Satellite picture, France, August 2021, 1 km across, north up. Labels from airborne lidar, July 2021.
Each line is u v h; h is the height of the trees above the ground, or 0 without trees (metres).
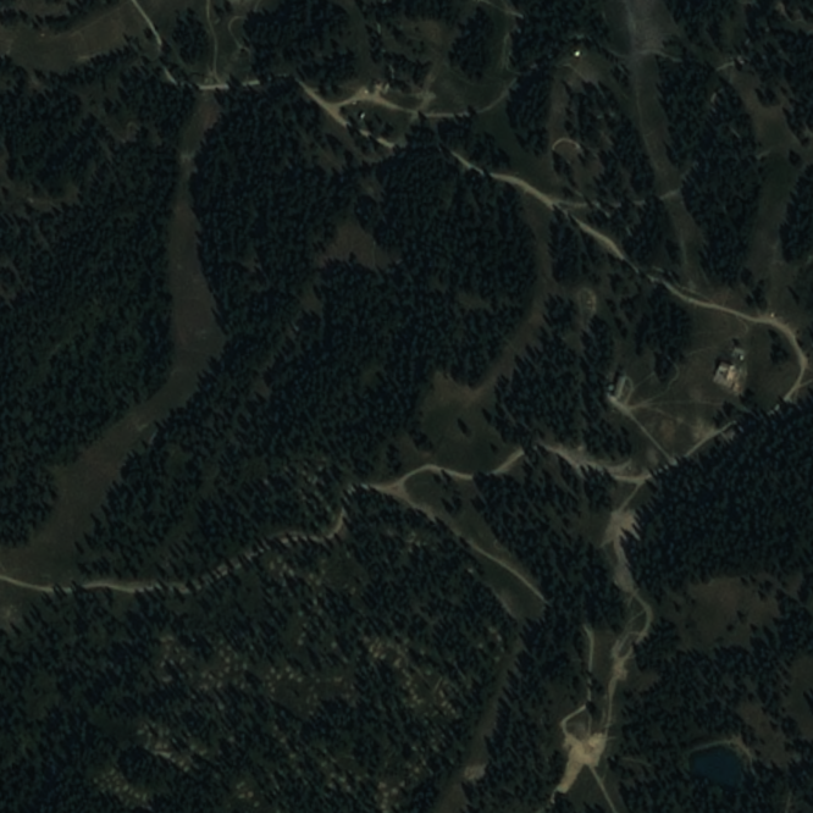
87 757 30
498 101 0
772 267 0
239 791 0
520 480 0
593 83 0
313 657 0
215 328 0
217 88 0
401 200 26
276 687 0
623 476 0
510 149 0
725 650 0
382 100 0
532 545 32
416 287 7
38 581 0
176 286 0
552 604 26
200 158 0
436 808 29
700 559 29
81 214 23
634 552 25
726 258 22
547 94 21
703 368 0
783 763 0
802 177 0
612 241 0
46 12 0
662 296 13
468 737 10
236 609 8
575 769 0
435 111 0
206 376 0
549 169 0
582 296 0
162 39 0
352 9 0
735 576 15
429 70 7
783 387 0
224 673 0
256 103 14
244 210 25
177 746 0
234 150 18
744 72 15
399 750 26
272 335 22
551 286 0
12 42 0
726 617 0
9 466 30
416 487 0
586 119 16
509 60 0
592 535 0
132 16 0
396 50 0
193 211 0
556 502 24
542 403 25
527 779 16
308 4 22
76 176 25
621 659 0
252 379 24
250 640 28
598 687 17
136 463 19
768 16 19
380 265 0
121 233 20
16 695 26
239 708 29
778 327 0
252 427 26
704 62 0
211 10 0
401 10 21
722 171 27
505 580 0
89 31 0
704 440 0
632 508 0
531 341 0
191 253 0
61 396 14
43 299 20
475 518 0
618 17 0
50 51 0
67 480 0
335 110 0
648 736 16
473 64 21
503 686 0
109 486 0
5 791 14
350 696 0
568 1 6
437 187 20
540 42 24
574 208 0
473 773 0
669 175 0
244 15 0
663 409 0
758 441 28
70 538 0
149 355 7
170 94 19
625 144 21
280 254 28
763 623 0
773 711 17
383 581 26
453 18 23
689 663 11
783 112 0
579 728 0
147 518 6
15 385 20
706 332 0
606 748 0
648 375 0
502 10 0
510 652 13
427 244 19
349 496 0
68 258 19
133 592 0
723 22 25
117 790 0
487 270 13
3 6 16
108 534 21
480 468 0
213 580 0
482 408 0
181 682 29
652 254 21
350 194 28
